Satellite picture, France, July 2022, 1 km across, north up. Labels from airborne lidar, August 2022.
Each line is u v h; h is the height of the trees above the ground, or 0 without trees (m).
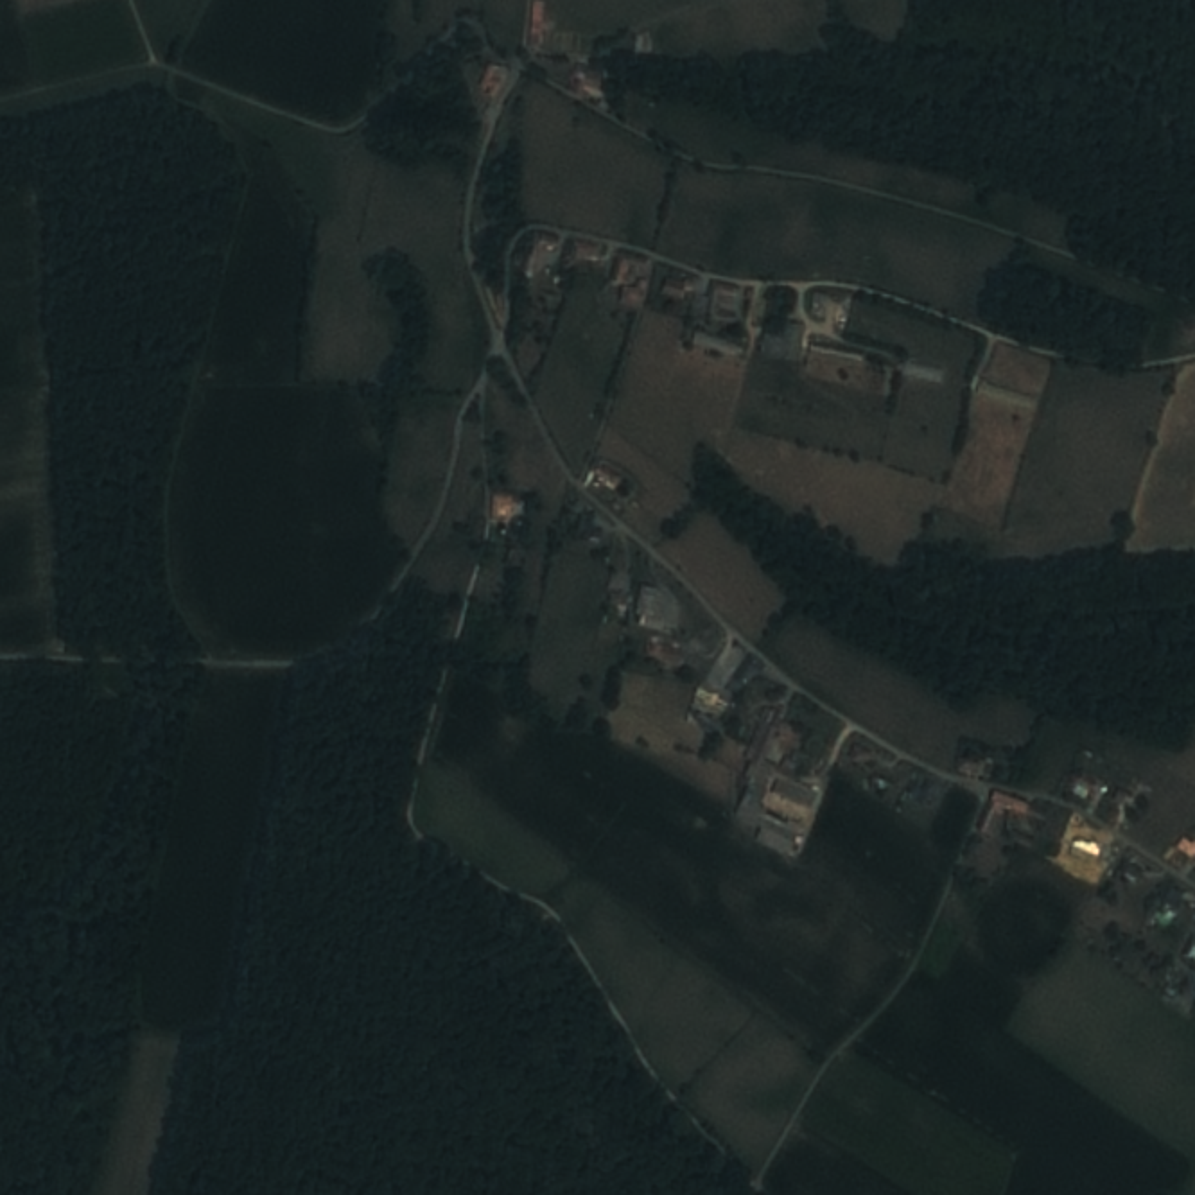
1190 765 0
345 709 28
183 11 0
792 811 0
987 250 0
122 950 27
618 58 15
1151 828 0
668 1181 19
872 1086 0
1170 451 0
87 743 11
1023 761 9
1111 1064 0
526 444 0
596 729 10
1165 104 28
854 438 0
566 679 0
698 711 0
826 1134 0
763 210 0
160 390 22
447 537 0
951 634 17
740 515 13
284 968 26
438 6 0
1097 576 31
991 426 0
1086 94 27
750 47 0
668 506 0
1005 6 8
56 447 17
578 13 0
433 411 0
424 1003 20
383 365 0
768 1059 0
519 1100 25
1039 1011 0
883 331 0
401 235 0
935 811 0
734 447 0
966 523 0
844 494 0
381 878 19
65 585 18
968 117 27
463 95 7
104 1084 31
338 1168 16
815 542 15
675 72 20
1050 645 26
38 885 6
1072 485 0
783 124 20
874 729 0
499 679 18
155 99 20
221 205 25
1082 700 27
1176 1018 0
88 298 22
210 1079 21
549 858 0
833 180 0
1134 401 0
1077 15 25
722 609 0
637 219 0
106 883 27
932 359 0
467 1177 21
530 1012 23
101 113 16
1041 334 20
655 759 0
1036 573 26
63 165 23
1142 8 21
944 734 0
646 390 0
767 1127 0
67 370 15
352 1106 23
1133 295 0
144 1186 0
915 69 25
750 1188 22
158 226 22
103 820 7
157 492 22
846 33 16
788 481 0
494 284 17
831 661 0
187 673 10
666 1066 0
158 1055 0
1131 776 0
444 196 0
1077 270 0
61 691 13
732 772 0
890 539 0
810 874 0
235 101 0
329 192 0
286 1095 22
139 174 24
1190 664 25
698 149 0
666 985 0
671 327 0
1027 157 21
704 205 0
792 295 9
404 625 8
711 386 0
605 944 0
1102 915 0
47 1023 28
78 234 18
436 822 0
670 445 0
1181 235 25
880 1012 0
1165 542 0
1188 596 16
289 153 0
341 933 23
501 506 0
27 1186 30
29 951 28
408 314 8
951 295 0
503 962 25
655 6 0
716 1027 0
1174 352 0
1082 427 0
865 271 0
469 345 0
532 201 0
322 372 0
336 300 0
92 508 23
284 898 24
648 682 0
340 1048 23
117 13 0
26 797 13
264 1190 18
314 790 26
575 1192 24
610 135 0
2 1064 28
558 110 0
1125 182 22
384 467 10
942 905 0
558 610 0
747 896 0
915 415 0
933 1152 0
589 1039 32
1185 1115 0
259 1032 22
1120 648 28
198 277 22
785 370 0
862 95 29
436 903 23
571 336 0
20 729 13
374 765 25
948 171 15
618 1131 26
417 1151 22
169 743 24
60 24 0
